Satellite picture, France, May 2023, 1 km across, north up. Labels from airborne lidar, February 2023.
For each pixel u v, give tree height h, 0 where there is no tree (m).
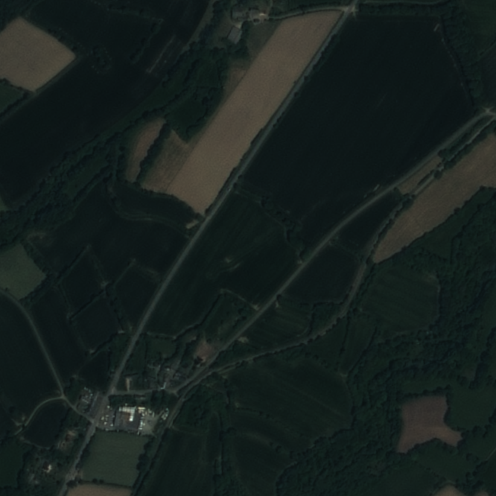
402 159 0
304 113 0
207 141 0
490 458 0
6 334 0
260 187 0
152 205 0
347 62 0
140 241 0
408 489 0
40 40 0
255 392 0
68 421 8
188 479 0
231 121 0
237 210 0
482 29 0
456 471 0
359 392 13
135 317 0
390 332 0
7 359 0
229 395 16
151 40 0
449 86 0
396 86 0
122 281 0
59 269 0
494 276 17
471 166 0
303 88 0
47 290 11
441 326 16
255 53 0
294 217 0
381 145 0
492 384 12
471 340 18
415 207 0
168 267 0
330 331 6
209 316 8
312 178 0
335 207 0
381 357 14
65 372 0
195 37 0
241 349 10
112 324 0
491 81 0
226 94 0
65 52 0
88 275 0
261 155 0
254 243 0
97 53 15
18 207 0
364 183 0
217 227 0
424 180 7
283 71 0
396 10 17
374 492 0
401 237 0
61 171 11
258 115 0
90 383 0
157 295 0
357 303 5
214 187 0
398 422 16
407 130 0
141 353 0
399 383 18
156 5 0
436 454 0
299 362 0
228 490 12
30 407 0
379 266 9
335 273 0
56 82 0
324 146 0
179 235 0
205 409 9
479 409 0
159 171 0
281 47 0
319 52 0
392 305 0
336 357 0
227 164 0
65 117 0
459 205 0
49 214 23
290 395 0
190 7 0
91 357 8
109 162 19
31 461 13
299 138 0
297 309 7
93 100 0
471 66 16
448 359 21
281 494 21
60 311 0
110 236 0
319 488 10
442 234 0
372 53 0
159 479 0
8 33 0
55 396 0
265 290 0
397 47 0
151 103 0
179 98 14
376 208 0
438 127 0
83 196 14
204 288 0
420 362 8
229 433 18
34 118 0
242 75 0
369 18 0
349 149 0
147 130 0
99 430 8
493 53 0
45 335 0
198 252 0
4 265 0
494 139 0
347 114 0
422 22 0
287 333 0
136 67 0
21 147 0
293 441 0
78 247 0
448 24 16
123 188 0
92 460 0
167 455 0
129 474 0
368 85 0
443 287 15
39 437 0
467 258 9
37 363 0
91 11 0
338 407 0
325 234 0
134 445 0
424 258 11
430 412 0
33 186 0
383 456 7
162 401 16
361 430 15
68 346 0
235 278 0
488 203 7
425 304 0
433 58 0
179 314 0
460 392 0
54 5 0
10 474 0
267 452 0
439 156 8
